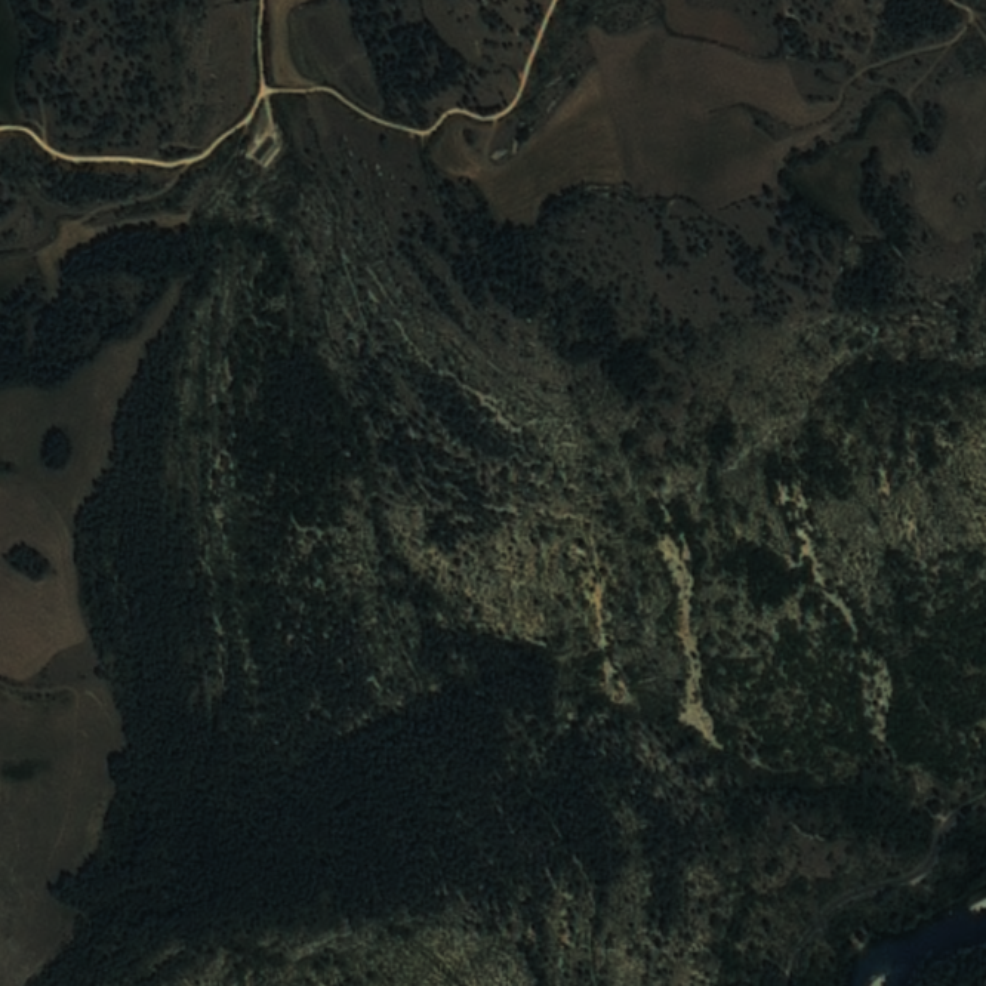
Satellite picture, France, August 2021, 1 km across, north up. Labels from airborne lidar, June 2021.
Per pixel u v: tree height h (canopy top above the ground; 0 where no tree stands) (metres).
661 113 0
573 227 0
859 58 0
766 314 10
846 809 7
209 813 17
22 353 15
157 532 12
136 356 0
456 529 11
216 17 0
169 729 15
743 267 11
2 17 0
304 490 8
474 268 8
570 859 10
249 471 10
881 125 0
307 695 11
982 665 7
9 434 0
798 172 0
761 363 0
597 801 7
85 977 9
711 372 0
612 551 7
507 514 8
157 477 8
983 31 0
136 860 14
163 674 13
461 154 0
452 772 13
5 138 0
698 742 9
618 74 0
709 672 7
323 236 0
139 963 10
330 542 6
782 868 6
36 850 0
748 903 7
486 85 0
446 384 6
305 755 11
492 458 7
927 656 7
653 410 6
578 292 11
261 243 11
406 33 10
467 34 0
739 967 11
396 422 8
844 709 6
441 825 12
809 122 0
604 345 10
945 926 0
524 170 0
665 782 6
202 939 10
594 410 0
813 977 12
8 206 9
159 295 7
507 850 12
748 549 10
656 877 8
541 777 11
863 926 8
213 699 6
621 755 7
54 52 11
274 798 11
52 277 0
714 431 9
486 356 0
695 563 10
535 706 7
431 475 10
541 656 9
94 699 0
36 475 0
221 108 0
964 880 8
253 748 11
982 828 6
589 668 7
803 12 7
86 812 0
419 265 7
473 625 6
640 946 6
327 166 0
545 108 0
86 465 0
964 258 0
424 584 6
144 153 0
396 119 10
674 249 9
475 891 10
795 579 6
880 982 0
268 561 8
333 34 0
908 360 7
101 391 0
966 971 10
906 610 9
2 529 0
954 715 7
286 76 0
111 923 14
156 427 9
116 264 12
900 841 7
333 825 18
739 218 0
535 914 9
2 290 0
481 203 6
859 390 7
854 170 0
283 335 7
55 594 0
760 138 0
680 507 7
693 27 0
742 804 12
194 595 11
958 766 8
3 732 0
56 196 8
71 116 9
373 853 15
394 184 0
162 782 13
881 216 7
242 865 17
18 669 0
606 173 0
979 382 6
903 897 12
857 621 7
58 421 0
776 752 10
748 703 8
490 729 12
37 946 0
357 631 6
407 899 11
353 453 11
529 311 6
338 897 14
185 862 17
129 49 10
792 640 7
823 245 9
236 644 7
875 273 10
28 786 0
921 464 6
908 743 7
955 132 0
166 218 0
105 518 8
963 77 0
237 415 8
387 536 8
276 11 0
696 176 0
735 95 0
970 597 7
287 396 13
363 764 17
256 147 0
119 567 10
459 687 10
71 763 0
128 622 13
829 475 8
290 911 16
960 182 0
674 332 6
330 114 0
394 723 16
